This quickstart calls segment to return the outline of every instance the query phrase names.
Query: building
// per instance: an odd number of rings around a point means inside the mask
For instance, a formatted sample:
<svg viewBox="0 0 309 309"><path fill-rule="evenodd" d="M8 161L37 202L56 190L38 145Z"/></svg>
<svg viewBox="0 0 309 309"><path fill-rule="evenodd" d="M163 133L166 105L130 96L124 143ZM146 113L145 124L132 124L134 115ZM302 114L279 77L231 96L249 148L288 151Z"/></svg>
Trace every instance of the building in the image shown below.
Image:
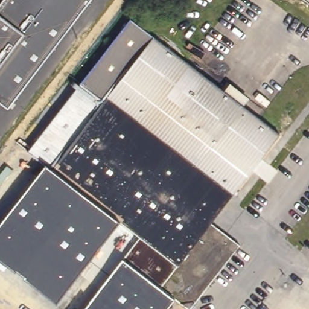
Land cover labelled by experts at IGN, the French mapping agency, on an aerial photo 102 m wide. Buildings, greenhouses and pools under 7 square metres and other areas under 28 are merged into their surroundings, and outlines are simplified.
<svg viewBox="0 0 309 309"><path fill-rule="evenodd" d="M111 233L119 225L127 226L134 232L134 245L130 246L126 256L122 257L122 261L107 276L83 309L167 309L174 299L183 305L193 304L199 293L214 279L229 253L232 253L232 244L228 240L223 240L221 244L215 239L214 229L209 227L210 223L231 199L232 194L237 196L238 188L247 177L261 168L264 153L272 150L279 138L278 134L258 121L251 113L223 97L221 89L205 80L174 54L169 53L167 48L159 45L148 33L138 24L129 21L81 84L75 84L75 92L72 93L29 150L34 159L42 158L56 169L52 171L42 168L0 222L0 263L12 272L24 276L41 295L56 304L97 255Z"/></svg>
<svg viewBox="0 0 309 309"><path fill-rule="evenodd" d="M0 0L0 107L4 110L13 109L30 82L39 74L49 57L56 52L93 0Z"/></svg>

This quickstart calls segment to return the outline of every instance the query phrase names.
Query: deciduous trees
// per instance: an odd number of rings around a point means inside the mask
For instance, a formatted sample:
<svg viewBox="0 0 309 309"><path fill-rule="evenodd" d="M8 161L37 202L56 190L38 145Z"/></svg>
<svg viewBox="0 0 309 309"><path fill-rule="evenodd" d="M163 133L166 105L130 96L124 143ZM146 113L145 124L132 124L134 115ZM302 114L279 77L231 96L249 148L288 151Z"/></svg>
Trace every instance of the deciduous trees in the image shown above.
<svg viewBox="0 0 309 309"><path fill-rule="evenodd" d="M128 17L129 21L138 24L148 33L153 33L168 22L177 25L181 21L186 21L187 13L191 13L190 8L194 4L191 0L123 0L117 13L119 16Z"/></svg>

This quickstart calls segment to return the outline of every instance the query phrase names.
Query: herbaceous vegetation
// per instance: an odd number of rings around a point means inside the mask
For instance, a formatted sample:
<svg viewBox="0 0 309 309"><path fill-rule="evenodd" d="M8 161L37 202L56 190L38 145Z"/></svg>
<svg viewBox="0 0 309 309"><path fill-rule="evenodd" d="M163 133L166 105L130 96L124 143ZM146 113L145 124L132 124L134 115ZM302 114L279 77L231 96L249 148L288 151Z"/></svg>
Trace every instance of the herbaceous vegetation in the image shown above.
<svg viewBox="0 0 309 309"><path fill-rule="evenodd" d="M190 40L193 45L203 47L206 40L205 31L215 28L217 23L220 23L218 18L233 0L191 0L194 4L190 8L191 13L187 13L186 21L181 21L177 25L168 22L153 33L163 37L167 42L173 41L182 57L190 59L192 53L186 51L185 42Z"/></svg>
<svg viewBox="0 0 309 309"><path fill-rule="evenodd" d="M309 0L272 0L286 13L296 17L304 28L309 28Z"/></svg>
<svg viewBox="0 0 309 309"><path fill-rule="evenodd" d="M286 235L286 239L297 246L298 250L303 247L299 246L299 241L309 240L309 209L303 212L299 218L301 221L292 227L292 234Z"/></svg>
<svg viewBox="0 0 309 309"><path fill-rule="evenodd" d="M253 198L260 194L264 186L261 179L246 194L240 203L241 208L246 209Z"/></svg>
<svg viewBox="0 0 309 309"><path fill-rule="evenodd" d="M31 107L46 91L49 83L77 51L78 46L75 42L72 43L68 52L54 66L51 75L41 84L0 138L0 152Z"/></svg>
<svg viewBox="0 0 309 309"><path fill-rule="evenodd" d="M129 21L128 17L119 16L117 13L109 27L88 49L88 58L81 60L83 65L80 68L76 65L75 70L66 78L66 88L72 93L75 92L75 84L81 84Z"/></svg>
<svg viewBox="0 0 309 309"><path fill-rule="evenodd" d="M303 138L303 130L309 130L309 115L272 162L272 167L278 169L285 158L293 153L298 141Z"/></svg>
<svg viewBox="0 0 309 309"><path fill-rule="evenodd" d="M261 113L273 127L280 130L280 133L285 133L309 103L309 65L293 71L292 77L286 80L281 91L274 95L273 100Z"/></svg>

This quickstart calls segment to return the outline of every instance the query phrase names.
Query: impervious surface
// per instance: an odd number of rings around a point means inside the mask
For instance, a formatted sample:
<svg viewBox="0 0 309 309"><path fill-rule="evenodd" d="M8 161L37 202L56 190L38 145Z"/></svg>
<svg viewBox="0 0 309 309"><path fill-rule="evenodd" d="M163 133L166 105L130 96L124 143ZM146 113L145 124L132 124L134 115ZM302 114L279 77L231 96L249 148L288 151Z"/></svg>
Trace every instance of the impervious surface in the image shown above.
<svg viewBox="0 0 309 309"><path fill-rule="evenodd" d="M214 279L199 293L193 304L183 305L174 299L167 309L309 309L309 240L299 241L299 246L303 247L298 250L297 246L286 239L286 235L292 234L292 227L301 221L299 218L303 212L309 209L309 130L303 130L303 138L298 141L293 153L285 158L278 169L272 167L272 162L309 115L309 103L285 133L280 133L280 130L273 127L261 113L273 100L274 95L281 91L286 80L292 77L293 71L309 65L309 28L304 28L296 17L286 13L272 0L233 0L218 18L220 23L217 23L215 28L205 31L206 40L203 47L193 45L190 40L185 42L186 51L192 53L190 59L182 57L173 41L167 42L163 37L153 33L148 33L159 45L167 48L169 53L174 54L205 80L221 89L223 97L251 113L258 121L278 134L279 138L272 150L264 153L261 168L247 177L238 188L237 196L232 194L231 199L210 223L209 227L214 229L215 239L221 244L223 240L228 240L232 244L232 253L229 253ZM260 194L253 198L246 209L241 208L240 203L246 194L261 179L264 186Z"/></svg>
<svg viewBox="0 0 309 309"><path fill-rule="evenodd" d="M127 226L119 225L111 233L97 255L56 304L41 295L24 276L12 272L0 263L0 309L83 309L107 276L122 261L122 257L126 256L130 246L134 245L134 232Z"/></svg>
<svg viewBox="0 0 309 309"><path fill-rule="evenodd" d="M83 65L81 60L88 58L88 49L109 27L117 13L123 0L93 0L56 52L49 57L39 74L30 82L13 109L4 110L0 107L0 138L41 84L51 75L54 66L68 52L72 43L75 42L78 46L77 51L49 83L46 91L31 107L0 152L0 222L42 168L52 171L56 169L42 158L34 159L29 150L72 93L66 88L66 78L75 70L76 65L80 68Z"/></svg>

